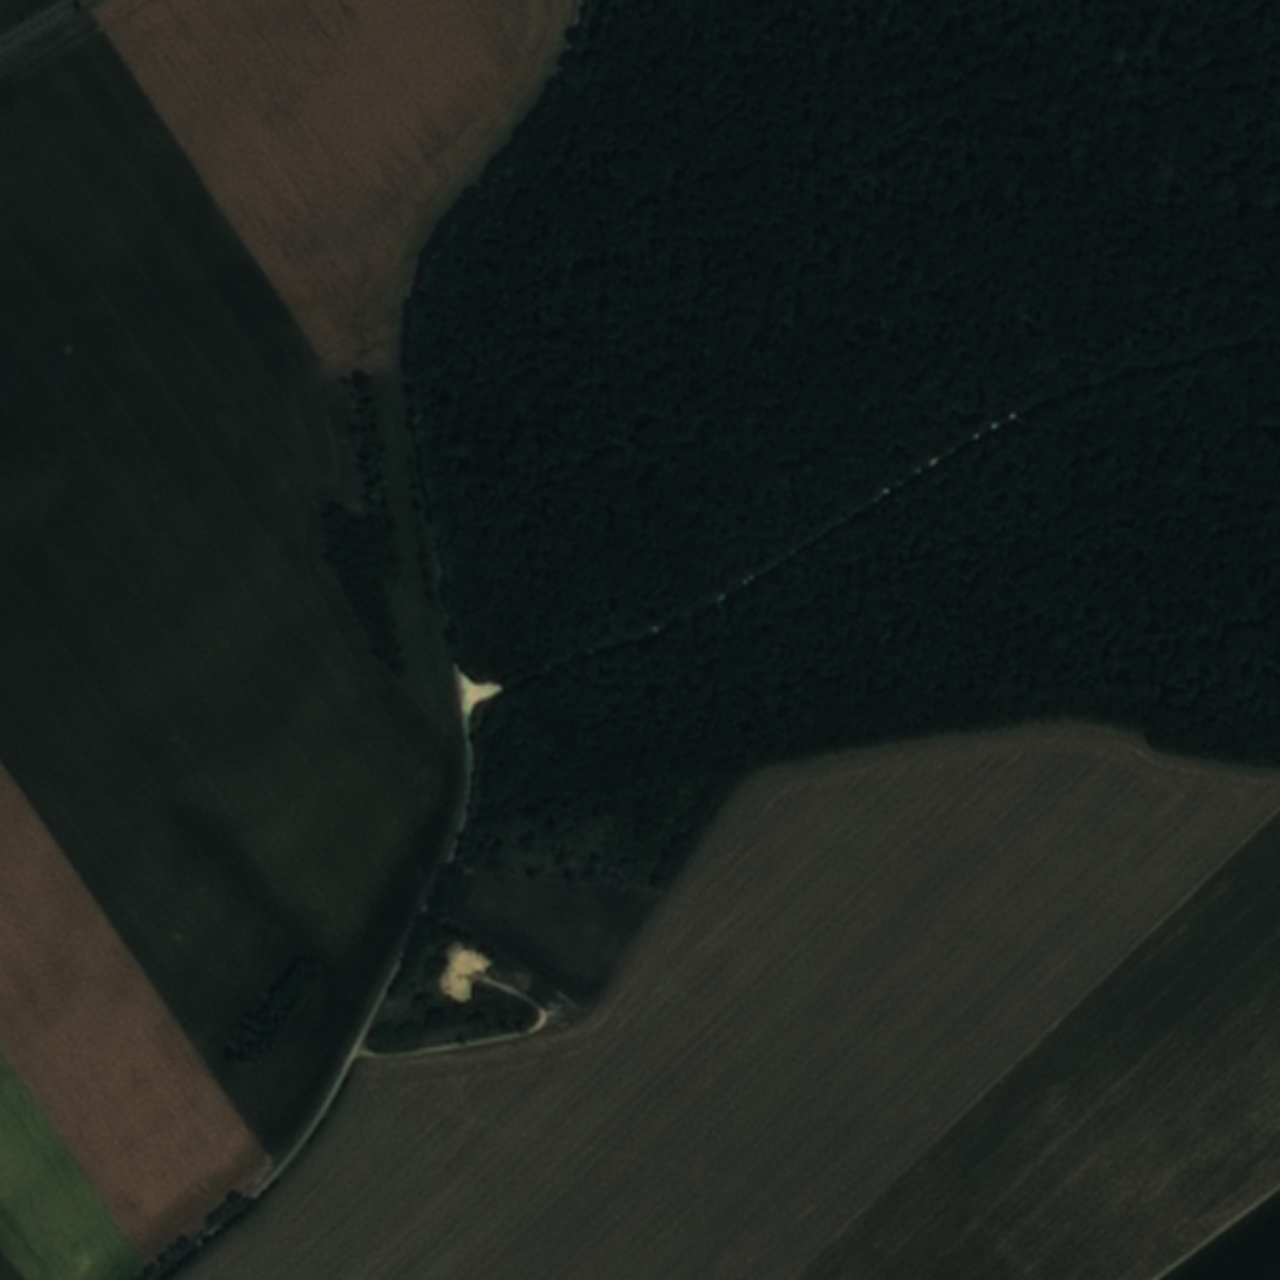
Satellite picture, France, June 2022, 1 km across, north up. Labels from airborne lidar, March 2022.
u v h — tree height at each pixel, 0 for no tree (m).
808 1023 0
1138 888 0
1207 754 12
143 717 0
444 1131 0
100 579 0
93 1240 0
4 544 0
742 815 0
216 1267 0
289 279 0
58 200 0
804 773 0
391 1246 0
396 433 0
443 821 0
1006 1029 0
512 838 0
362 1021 0
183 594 0
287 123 0
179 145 0
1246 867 0
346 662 0
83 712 0
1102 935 0
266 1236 0
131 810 0
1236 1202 0
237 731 0
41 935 0
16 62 0
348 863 0
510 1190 0
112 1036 0
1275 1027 0
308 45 0
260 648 0
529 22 0
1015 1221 0
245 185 0
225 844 0
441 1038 0
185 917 0
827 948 0
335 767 0
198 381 0
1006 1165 0
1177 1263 0
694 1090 0
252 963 0
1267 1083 0
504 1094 0
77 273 0
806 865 0
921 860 0
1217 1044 0
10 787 0
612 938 0
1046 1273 0
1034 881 0
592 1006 0
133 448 0
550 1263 0
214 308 0
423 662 0
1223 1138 0
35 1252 0
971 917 0
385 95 0
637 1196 0
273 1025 17
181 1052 0
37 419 0
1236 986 0
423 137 0
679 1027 0
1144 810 0
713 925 0
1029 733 0
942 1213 0
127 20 0
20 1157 0
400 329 0
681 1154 0
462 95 0
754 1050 0
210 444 0
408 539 0
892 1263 0
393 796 0
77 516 0
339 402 0
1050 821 0
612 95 19
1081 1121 0
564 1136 0
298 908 0
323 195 0
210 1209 0
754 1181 0
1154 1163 0
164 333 0
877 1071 0
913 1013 0
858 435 19
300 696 0
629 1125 0
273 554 0
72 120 0
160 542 0
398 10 0
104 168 0
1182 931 0
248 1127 0
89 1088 0
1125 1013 0
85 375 0
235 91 0
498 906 0
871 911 0
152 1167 0
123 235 0
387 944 0
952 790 0
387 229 0
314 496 0
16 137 0
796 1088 0
